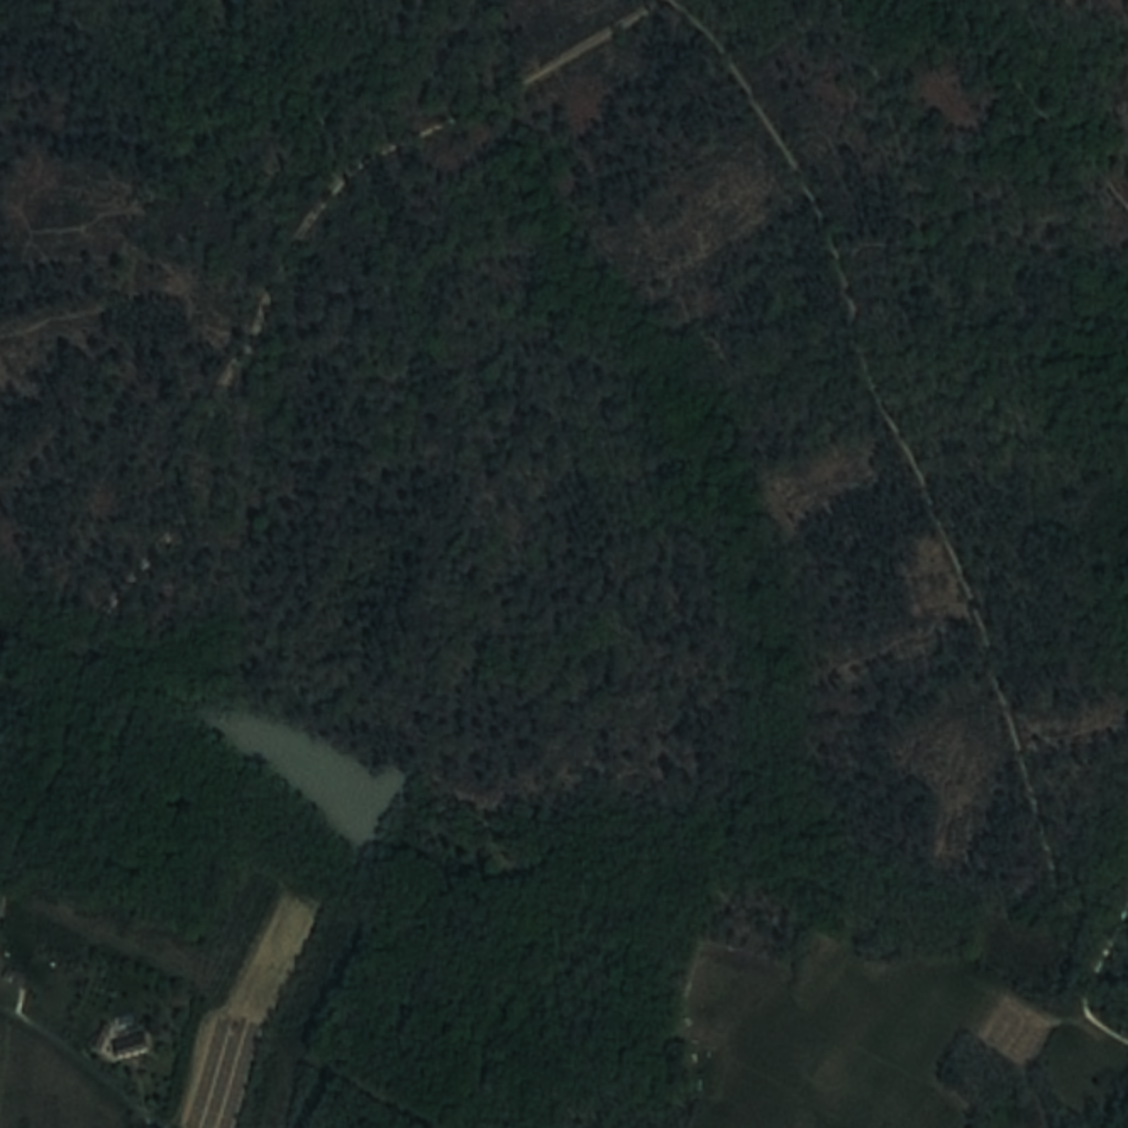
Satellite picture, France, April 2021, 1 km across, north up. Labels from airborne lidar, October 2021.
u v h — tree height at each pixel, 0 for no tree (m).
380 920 24
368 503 20
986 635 7
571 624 15
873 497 12
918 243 14
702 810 22
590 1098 21
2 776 17
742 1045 0
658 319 22
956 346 19
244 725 0
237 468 20
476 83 21
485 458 13
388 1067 23
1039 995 12
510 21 16
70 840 18
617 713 12
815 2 16
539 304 27
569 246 17
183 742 23
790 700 27
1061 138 13
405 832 6
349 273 8
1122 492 9
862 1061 0
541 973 28
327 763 0
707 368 17
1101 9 17
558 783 13
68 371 19
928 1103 0
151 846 26
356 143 14
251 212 13
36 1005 0
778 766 31
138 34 13
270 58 17
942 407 12
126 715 24
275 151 12
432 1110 25
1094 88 15
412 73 22
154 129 17
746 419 13
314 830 20
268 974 0
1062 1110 18
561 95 0
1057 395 17
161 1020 16
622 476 18
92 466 13
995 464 19
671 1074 22
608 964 20
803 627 22
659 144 12
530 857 27
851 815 27
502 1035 24
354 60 10
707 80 17
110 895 19
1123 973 6
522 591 20
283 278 19
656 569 10
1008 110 9
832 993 0
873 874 25
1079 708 20
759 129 7
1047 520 10
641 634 23
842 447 14
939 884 28
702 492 19
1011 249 21
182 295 0
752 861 29
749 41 14
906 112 16
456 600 16
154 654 13
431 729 18
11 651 21
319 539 19
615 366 21
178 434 13
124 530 15
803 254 15
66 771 17
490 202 18
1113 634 25
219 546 13
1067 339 23
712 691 14
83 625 19
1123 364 20
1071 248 18
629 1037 22
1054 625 27
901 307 15
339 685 8
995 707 8
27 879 16
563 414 15
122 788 20
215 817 22
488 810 20
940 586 0
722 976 0
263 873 15
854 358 16
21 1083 0
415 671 8
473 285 11
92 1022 0
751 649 25
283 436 11
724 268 8
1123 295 20
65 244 0
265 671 23
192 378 14
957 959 23
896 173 13
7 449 21
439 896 21
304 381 7
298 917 0
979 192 11
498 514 13
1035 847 9
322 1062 22
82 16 16
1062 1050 0
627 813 21
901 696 21
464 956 22
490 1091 25
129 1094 9
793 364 11
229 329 0
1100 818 21
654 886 23
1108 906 25
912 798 21
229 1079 0
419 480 16
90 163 21
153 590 12
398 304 15
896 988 0
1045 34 15
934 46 18
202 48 18
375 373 7
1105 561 20
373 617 14
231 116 23
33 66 18
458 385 18
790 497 0
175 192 17
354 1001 24
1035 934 22
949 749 0
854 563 14
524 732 12
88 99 14
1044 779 13
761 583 19
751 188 0
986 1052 15
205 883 20
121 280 14
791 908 24
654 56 13
